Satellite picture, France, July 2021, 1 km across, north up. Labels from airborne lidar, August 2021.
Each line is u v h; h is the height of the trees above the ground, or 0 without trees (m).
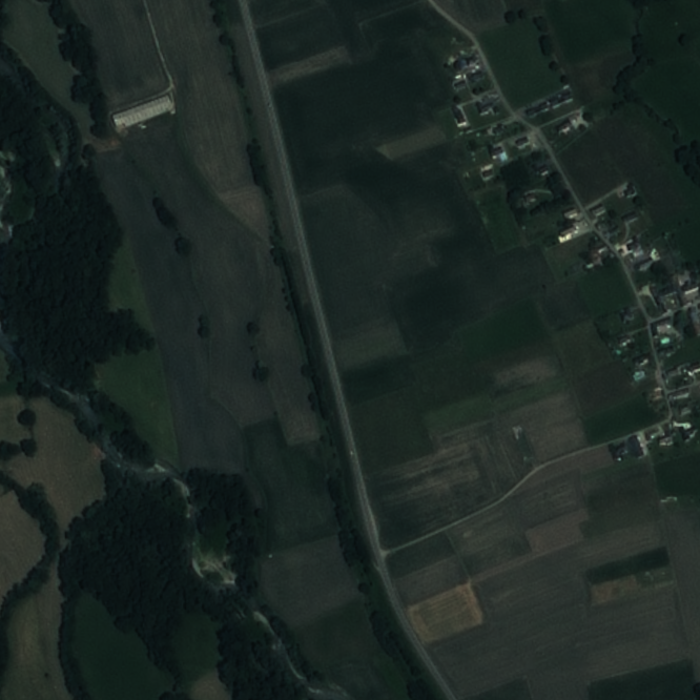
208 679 0
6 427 0
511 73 0
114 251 19
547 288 6
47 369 28
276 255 13
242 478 17
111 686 0
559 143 0
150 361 0
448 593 0
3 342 0
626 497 0
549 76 0
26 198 11
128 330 27
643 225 0
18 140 28
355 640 0
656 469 0
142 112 0
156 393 0
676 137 12
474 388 0
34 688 0
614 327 0
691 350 0
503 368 0
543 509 0
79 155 15
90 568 28
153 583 24
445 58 0
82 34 26
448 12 0
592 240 6
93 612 0
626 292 0
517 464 0
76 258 26
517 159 0
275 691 22
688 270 9
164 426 0
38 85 19
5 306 27
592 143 0
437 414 0
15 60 21
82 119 0
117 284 0
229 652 29
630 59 0
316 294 0
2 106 20
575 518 0
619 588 0
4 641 15
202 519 19
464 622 0
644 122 0
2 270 35
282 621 15
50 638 0
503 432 0
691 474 0
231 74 10
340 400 0
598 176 0
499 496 0
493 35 0
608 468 0
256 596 32
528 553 0
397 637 15
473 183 0
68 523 0
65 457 0
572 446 0
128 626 19
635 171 0
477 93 14
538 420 0
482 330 0
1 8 19
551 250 0
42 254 24
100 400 24
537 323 0
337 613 0
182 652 0
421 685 14
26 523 0
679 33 0
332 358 0
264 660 32
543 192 0
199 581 14
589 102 0
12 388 0
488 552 0
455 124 0
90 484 0
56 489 0
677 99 0
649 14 0
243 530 21
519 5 0
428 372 0
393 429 0
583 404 0
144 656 0
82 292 26
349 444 0
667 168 0
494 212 0
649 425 0
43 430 0
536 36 0
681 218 0
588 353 0
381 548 0
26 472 0
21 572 0
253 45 0
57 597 0
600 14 0
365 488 0
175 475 0
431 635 0
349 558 17
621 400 0
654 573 0
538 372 0
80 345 18
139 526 26
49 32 0
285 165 0
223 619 19
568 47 0
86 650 0
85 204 21
